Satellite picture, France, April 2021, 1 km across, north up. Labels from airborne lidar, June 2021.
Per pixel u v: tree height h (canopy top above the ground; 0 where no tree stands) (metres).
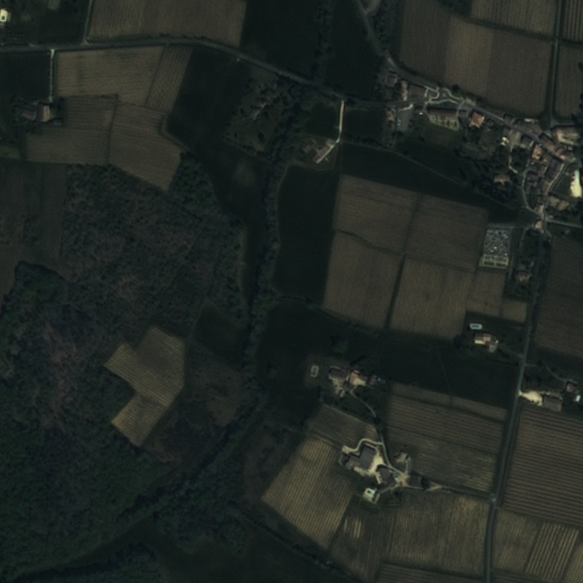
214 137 0
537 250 10
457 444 0
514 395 0
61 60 0
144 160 0
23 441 24
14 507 23
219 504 21
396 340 0
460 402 0
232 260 16
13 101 8
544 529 0
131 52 0
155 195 10
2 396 23
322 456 0
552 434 0
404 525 0
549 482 0
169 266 12
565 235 6
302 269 0
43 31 0
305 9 0
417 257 0
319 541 0
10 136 0
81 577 22
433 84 0
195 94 0
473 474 0
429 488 9
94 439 22
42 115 0
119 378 10
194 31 0
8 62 0
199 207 19
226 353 0
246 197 0
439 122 6
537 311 10
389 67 14
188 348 0
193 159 19
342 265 0
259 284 10
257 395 12
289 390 0
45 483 23
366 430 0
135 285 9
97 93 0
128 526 16
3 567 25
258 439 0
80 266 12
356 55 0
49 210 0
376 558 0
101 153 0
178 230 12
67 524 18
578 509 0
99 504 20
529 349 0
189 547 20
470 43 0
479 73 0
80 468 21
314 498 0
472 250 0
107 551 0
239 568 0
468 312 0
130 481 21
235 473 16
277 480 0
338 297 0
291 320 0
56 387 16
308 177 0
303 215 0
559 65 0
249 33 0
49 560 23
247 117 7
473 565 0
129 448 21
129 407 0
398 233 0
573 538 0
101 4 0
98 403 22
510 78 0
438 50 0
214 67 0
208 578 0
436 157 0
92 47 0
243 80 0
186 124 0
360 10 15
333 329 0
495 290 0
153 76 0
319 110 0
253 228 0
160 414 0
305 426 10
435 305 0
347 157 0
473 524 0
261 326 24
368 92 0
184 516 23
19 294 16
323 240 0
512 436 0
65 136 0
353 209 0
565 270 0
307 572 0
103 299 10
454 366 0
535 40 0
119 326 7
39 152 0
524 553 0
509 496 0
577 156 13
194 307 11
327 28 8
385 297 0
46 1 0
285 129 12
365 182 0
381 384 0
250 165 0
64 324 18
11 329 18
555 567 0
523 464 0
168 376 0
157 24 0
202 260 9
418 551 0
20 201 0
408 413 0
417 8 0
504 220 0
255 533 0
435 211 0
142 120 0
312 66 0
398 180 0
